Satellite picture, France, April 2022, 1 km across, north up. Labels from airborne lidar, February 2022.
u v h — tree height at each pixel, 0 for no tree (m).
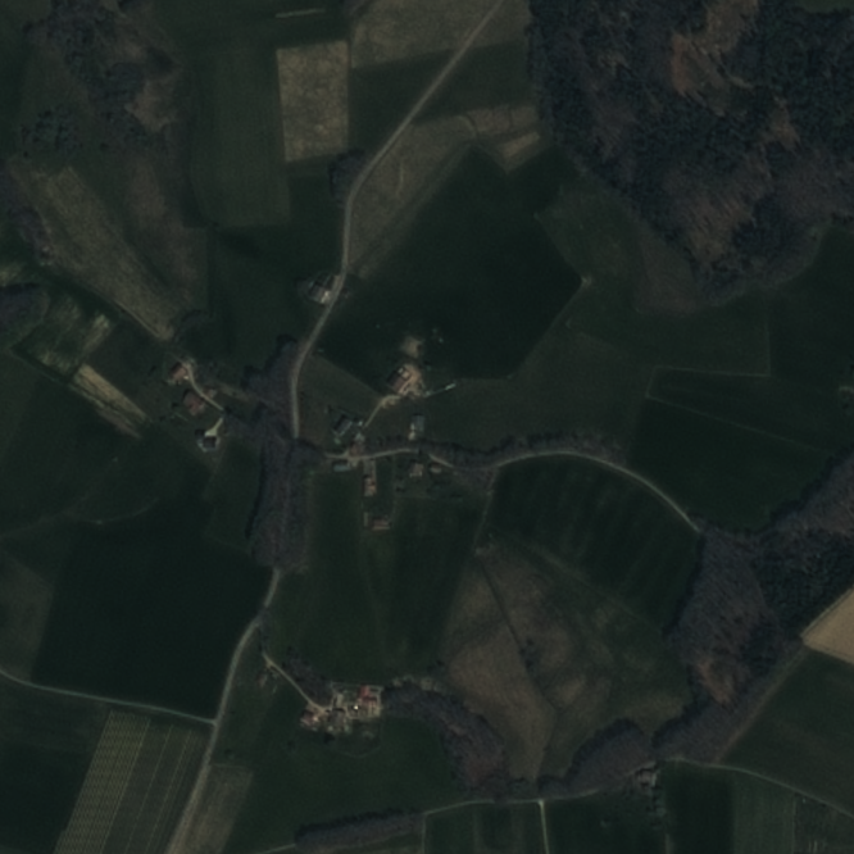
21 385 0
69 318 0
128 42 0
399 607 0
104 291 0
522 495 0
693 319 0
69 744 0
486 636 0
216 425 0
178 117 0
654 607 0
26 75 0
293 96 0
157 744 0
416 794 0
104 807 0
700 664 30
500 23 0
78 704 0
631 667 0
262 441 23
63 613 0
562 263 0
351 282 0
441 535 0
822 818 0
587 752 0
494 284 0
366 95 0
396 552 0
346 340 0
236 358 0
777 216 30
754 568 19
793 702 0
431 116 0
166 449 0
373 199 0
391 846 0
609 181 14
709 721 31
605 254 0
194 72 0
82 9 22
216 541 0
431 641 0
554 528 0
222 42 0
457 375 0
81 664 0
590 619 0
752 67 26
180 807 0
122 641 0
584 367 0
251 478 0
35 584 0
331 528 0
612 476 0
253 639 0
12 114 0
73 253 0
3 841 0
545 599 0
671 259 0
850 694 0
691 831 0
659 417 0
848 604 0
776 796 0
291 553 24
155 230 0
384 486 0
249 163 0
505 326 0
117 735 0
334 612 0
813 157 28
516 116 0
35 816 0
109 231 0
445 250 0
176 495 0
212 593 0
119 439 0
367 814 0
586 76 29
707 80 0
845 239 0
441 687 0
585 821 0
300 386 0
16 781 0
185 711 0
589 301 0
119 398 0
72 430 0
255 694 0
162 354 0
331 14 0
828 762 0
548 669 0
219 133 0
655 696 0
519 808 0
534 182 0
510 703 0
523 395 0
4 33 0
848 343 0
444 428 0
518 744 0
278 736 0
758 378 0
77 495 0
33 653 0
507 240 0
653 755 27
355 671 0
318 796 0
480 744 32
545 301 0
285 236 0
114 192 0
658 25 26
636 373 0
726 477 0
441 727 23
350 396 0
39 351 0
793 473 0
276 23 0
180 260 0
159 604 0
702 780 0
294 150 0
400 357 0
